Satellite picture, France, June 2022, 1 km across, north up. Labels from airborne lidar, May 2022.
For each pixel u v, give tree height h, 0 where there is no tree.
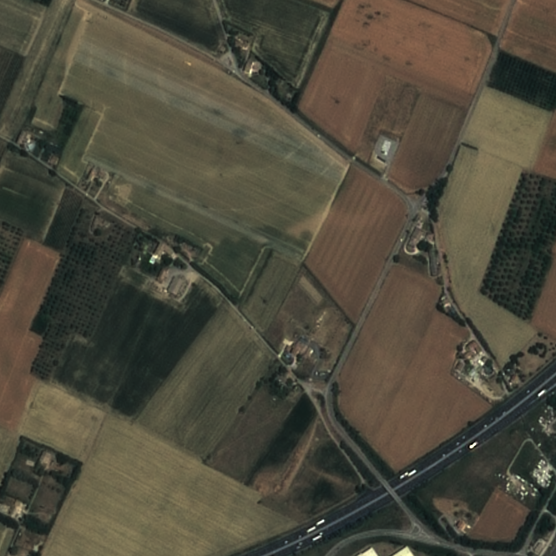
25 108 0
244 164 0
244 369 0
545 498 6
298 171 0
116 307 0
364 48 0
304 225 0
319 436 0
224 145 0
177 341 0
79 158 0
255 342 0
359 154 0
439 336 0
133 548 0
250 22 0
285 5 0
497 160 0
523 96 7
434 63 0
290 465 0
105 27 0
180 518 0
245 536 0
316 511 0
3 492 6
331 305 0
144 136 0
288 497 0
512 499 0
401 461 0
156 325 0
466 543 12
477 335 13
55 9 0
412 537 0
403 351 0
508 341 0
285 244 0
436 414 0
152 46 0
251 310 0
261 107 0
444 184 11
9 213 0
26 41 0
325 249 0
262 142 0
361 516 0
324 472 0
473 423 7
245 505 0
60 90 0
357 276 0
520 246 9
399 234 0
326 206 0
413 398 0
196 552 0
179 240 9
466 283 0
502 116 0
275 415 0
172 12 0
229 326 0
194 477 0
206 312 0
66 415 0
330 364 0
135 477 0
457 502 0
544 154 0
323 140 0
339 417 14
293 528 0
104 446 0
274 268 0
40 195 0
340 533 14
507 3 0
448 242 0
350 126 0
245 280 0
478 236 0
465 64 0
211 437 0
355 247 0
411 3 0
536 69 8
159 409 0
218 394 0
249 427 0
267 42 0
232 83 0
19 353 0
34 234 0
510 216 8
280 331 0
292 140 0
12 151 7
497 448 0
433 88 0
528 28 0
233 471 0
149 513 0
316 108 0
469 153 0
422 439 0
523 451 0
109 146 0
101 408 0
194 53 0
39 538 0
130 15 0
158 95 0
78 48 0
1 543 0
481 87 0
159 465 0
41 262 0
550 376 0
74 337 0
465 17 0
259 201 0
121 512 0
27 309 0
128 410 0
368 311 0
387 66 0
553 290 0
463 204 0
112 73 0
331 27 0
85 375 0
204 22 0
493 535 0
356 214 0
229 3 0
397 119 0
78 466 8
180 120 0
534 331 0
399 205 0
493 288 9
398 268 0
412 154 0
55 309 9
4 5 0
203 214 0
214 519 0
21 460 0
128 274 0
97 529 0
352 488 0
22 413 0
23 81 0
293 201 0
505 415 0
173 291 0
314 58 0
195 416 0
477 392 0
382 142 0
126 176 0
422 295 0
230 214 0
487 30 0
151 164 0
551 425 0
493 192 0
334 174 0
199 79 0
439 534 9
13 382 0
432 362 0
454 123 0
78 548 0
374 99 0
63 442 0
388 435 0
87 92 0
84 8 0
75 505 0
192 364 0
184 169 0
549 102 7
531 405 0
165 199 0
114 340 0
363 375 0
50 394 0
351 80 0
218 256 0
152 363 0
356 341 0
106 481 0
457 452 0
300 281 0
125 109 0
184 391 0
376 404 0
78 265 9
